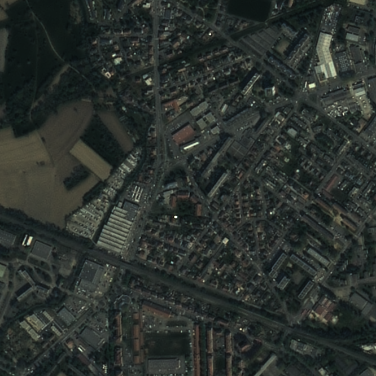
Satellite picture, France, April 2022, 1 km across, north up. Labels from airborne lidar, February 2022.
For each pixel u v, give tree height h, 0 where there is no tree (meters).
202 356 15
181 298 0
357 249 0
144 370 0
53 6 0
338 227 0
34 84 8
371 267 14
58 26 0
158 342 0
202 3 8
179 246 0
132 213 0
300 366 17
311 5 0
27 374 0
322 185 0
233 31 11
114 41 0
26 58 0
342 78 23
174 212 0
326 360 16
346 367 0
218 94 0
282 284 0
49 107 16
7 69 0
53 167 0
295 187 0
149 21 7
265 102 0
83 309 0
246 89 0
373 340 8
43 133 0
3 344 7
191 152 0
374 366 8
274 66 13
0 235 0
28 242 0
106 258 0
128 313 0
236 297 0
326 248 18
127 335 0
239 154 0
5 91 0
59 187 0
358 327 0
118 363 0
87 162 0
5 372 10
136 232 0
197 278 0
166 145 0
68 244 0
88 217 0
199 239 0
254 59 0
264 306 8
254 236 8
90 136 0
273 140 0
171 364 0
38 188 0
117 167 13
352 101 0
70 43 0
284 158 0
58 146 0
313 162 0
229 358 0
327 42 0
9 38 6
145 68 0
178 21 13
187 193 0
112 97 9
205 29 0
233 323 0
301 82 0
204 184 0
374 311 0
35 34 0
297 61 0
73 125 0
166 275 11
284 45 0
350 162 0
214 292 0
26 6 0
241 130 0
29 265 0
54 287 0
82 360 0
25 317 0
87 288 0
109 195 0
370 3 6
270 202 7
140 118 0
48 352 0
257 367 20
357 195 0
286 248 0
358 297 0
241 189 0
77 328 0
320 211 9
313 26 13
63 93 10
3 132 0
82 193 0
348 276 0
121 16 0
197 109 0
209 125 0
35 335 0
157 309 0
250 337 0
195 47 11
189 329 0
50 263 0
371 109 0
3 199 0
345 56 0
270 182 0
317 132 0
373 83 0
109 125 0
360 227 0
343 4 0
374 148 0
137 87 0
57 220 0
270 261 0
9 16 0
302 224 11
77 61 17
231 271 0
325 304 0
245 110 0
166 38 0
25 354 0
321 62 0
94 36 7
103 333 0
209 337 0
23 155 0
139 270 0
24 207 0
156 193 0
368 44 0
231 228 0
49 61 0
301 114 0
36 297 12
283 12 12
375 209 0
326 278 0
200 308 13
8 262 0
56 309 0
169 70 6
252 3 0
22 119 6
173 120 0
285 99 0
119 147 12
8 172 0
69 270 0
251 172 0
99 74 9
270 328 0
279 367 15
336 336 11
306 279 0
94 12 0
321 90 0
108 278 0
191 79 0
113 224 0
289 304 14
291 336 10
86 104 0
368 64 0
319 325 16
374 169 0
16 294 0
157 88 0
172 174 13
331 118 0
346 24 0
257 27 0
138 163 12
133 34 0
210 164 0
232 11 0
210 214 8
